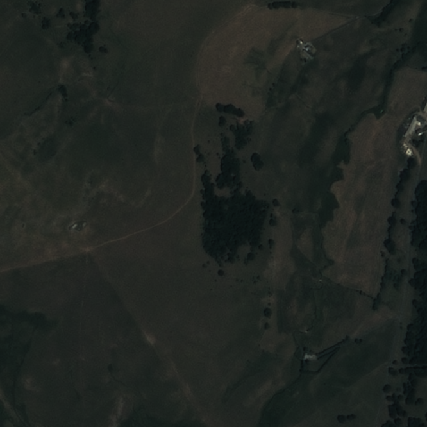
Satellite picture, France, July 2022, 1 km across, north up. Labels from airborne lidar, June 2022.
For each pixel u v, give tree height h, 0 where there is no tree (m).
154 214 0
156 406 0
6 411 0
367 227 0
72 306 0
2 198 0
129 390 0
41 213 0
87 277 0
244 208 8
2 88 0
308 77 0
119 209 0
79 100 0
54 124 0
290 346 0
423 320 9
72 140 0
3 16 0
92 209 0
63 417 0
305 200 0
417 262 14
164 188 0
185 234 0
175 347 0
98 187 0
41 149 0
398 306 0
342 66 0
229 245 14
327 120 0
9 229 0
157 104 0
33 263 0
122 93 0
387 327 0
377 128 0
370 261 0
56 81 0
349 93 0
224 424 0
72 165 0
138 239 0
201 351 0
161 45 0
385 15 10
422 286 10
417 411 0
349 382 0
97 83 0
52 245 0
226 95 0
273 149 0
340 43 0
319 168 0
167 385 0
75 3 0
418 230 13
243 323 0
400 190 12
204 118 0
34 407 0
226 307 0
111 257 0
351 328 0
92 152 0
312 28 0
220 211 10
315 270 0
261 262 0
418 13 0
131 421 0
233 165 7
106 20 0
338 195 0
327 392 0
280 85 0
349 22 0
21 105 0
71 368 0
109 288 0
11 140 0
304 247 0
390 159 0
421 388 0
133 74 0
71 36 11
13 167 0
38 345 0
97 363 0
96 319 0
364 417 0
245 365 0
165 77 0
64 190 0
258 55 0
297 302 0
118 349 0
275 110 0
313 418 0
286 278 0
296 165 0
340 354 0
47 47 0
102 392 0
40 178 0
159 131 0
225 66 0
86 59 0
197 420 0
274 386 0
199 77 0
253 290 0
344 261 0
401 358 0
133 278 0
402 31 8
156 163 0
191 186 0
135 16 0
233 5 0
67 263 0
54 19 0
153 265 0
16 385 0
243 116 13
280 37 0
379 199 0
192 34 0
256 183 0
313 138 0
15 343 0
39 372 0
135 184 0
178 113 0
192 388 0
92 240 0
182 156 0
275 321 0
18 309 0
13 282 0
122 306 0
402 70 0
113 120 0
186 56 0
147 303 0
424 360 14
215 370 0
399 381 0
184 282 0
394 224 13
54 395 0
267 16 0
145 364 0
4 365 0
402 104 0
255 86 0
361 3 0
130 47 0
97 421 0
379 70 0
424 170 0
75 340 0
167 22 0
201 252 0
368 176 0
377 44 0
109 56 0
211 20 0
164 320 0
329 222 0
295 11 0
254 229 7
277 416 0
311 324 0
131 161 0
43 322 0
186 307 0
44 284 0
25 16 7
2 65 0
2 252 0
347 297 0
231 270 0
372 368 0
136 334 0
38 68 0
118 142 0
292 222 0
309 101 0
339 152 0
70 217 0
